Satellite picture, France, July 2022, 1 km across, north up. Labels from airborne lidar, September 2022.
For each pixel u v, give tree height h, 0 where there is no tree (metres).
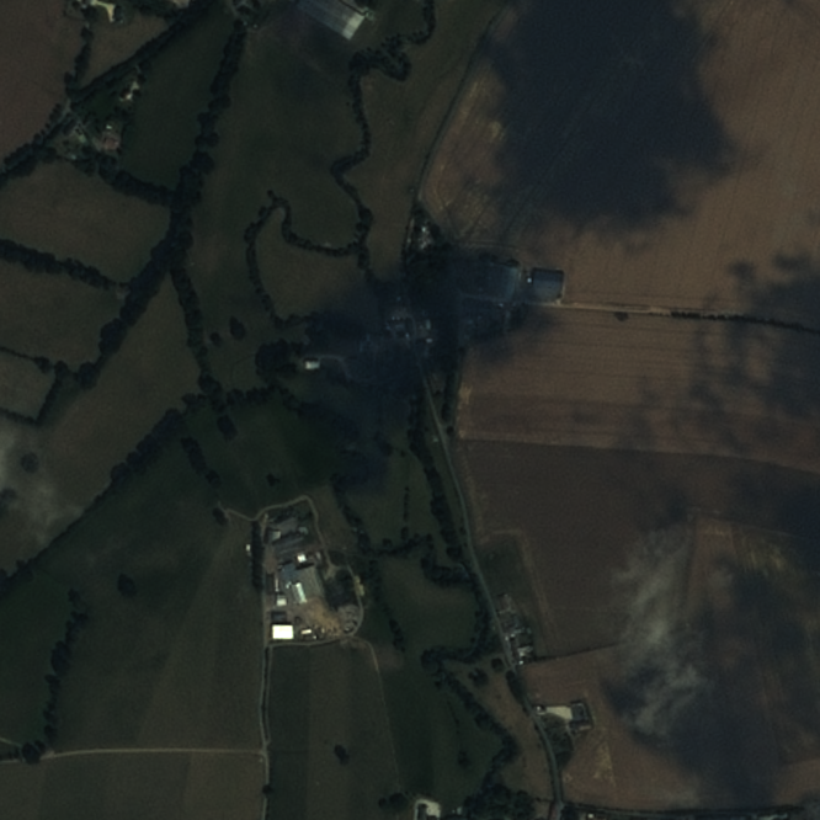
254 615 0
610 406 0
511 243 0
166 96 0
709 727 0
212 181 0
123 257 0
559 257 0
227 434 25
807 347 0
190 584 0
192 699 0
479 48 0
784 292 0
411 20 0
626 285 0
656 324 0
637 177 0
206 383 20
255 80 0
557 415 0
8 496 18
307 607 0
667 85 0
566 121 0
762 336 0
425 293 15
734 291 0
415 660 0
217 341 15
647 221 0
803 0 0
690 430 0
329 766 0
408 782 0
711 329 0
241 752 0
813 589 0
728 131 0
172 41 15
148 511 0
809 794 0
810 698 0
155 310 0
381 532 0
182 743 0
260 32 0
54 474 0
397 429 0
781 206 0
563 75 0
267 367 29
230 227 0
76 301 0
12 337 0
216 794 0
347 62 0
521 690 13
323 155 0
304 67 0
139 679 0
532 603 0
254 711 0
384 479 0
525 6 0
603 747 0
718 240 0
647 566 0
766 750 0
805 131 0
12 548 0
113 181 20
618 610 0
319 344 27
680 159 0
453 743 0
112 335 24
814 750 0
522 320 7
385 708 0
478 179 0
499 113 0
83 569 0
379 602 7
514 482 0
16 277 0
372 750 0
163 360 0
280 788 0
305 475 0
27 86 0
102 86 12
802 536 0
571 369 0
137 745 0
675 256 0
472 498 0
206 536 0
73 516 0
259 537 18
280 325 12
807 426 0
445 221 0
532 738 0
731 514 0
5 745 0
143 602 0
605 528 0
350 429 15
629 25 0
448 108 0
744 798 0
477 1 0
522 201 0
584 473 0
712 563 0
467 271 0
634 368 0
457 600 0
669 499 0
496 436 0
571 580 0
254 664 0
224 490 0
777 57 0
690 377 0
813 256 0
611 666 0
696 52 0
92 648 0
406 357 7
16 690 0
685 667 0
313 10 0
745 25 0
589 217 0
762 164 0
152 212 0
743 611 0
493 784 12
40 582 0
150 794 0
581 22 0
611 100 0
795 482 0
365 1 24
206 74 0
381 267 0
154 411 0
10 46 0
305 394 0
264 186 0
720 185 0
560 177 0
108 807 0
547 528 0
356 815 0
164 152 0
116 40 0
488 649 8
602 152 0
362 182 0
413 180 0
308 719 0
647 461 0
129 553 0
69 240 0
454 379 11
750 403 0
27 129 0
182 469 0
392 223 0
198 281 0
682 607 0
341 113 0
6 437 0
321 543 0
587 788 0
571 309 0
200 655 0
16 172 18
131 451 0
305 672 0
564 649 0
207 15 19
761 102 0
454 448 0
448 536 21
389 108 0
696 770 0
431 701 0
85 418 0
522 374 0
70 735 0
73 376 7
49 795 0
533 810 6
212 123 21
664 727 0
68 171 0
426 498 0
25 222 0
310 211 0
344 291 0
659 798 0
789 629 0
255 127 0
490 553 0
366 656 0
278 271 0
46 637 0
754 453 0
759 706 0
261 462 0
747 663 0
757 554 0
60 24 0
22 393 0
